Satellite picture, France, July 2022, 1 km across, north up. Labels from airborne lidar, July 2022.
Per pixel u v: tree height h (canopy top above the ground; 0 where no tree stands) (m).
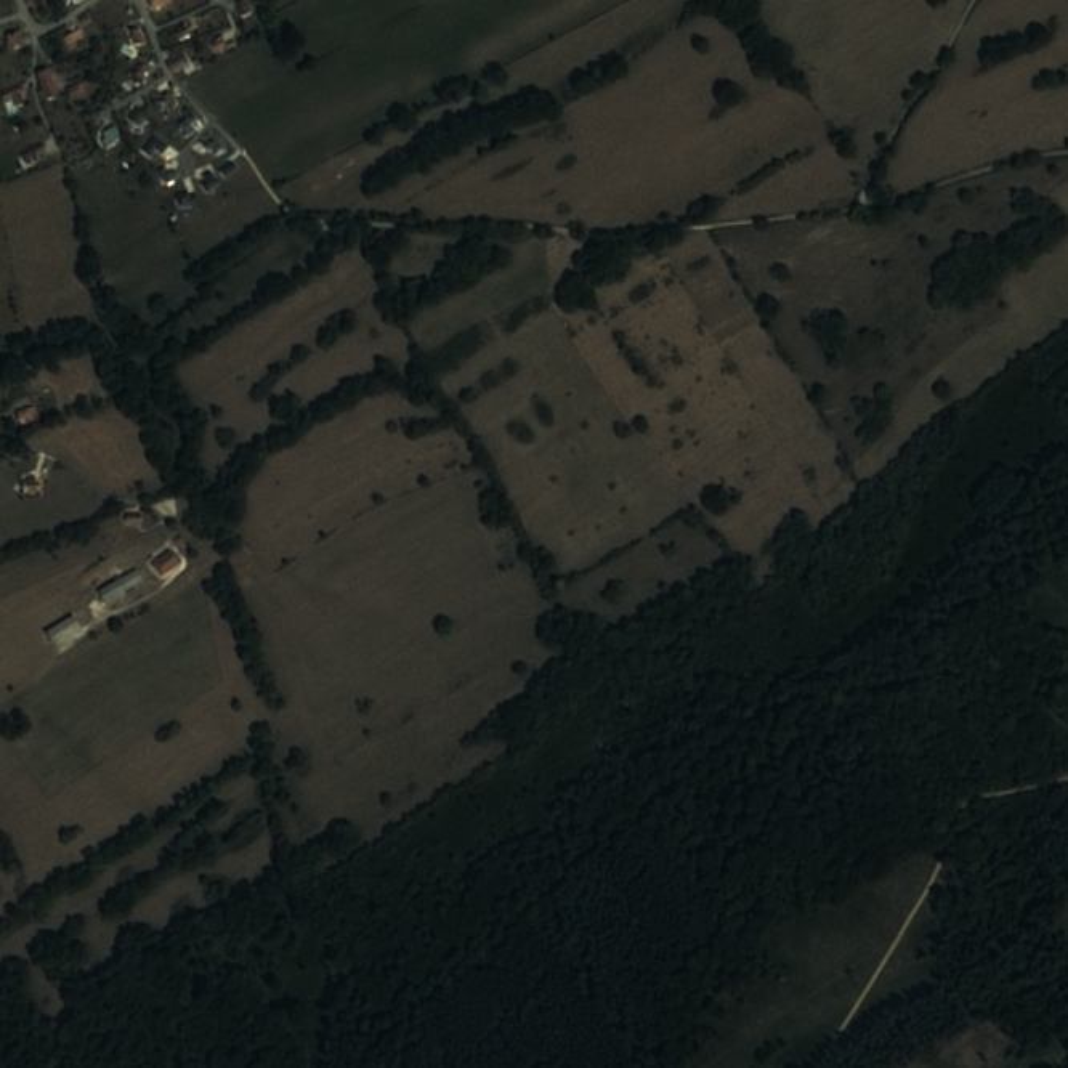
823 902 19
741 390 0
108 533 0
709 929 12
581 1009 24
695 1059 17
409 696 0
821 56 0
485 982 19
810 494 0
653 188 0
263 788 8
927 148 0
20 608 0
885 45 0
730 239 0
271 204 0
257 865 0
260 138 0
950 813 13
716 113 0
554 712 16
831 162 0
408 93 0
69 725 0
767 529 0
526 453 0
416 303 9
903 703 21
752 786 26
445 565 0
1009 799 6
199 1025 21
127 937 15
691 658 18
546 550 9
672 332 0
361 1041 24
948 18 0
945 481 0
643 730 6
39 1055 18
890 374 0
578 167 0
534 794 7
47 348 19
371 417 0
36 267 0
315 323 0
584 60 0
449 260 13
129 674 0
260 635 12
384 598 0
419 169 17
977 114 0
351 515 0
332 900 11
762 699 13
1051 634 18
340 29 0
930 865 0
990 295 12
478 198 0
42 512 0
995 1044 0
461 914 13
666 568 0
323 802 0
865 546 10
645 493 0
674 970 13
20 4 0
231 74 0
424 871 10
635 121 0
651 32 0
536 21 0
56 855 0
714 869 21
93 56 7
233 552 13
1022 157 11
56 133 7
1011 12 0
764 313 12
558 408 0
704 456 0
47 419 15
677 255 0
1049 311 0
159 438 21
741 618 6
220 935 20
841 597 14
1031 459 9
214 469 0
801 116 0
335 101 0
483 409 0
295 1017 29
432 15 0
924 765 14
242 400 0
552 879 17
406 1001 21
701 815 25
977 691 19
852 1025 0
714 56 0
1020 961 19
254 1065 21
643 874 18
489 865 13
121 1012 21
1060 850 25
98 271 21
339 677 0
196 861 10
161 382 21
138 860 0
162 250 0
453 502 0
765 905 25
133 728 0
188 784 0
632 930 24
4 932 6
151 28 0
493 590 0
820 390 14
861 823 24
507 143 13
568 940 23
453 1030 22
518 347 0
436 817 9
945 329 0
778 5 0
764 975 20
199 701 0
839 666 21
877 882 19
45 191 0
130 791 0
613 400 0
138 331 20
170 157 0
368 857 10
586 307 13
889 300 0
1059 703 23
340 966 21
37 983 0
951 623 26
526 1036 25
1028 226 13
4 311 0
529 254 0
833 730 23
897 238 0
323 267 21
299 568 0
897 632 27
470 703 0
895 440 0
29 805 0
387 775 0
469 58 0
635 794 28
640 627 12
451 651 0
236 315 9
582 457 0
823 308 0
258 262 0
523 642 0
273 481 0
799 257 0
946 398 8
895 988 0
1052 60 0
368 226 17
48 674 0
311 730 0
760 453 0
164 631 0
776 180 0
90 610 0
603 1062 20
